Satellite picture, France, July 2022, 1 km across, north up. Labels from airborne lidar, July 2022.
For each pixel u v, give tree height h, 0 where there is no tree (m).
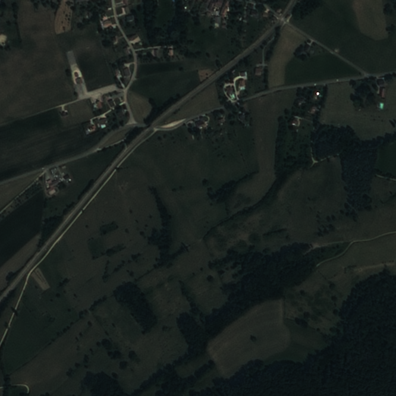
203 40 0
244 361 0
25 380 0
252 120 8
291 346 0
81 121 0
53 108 0
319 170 0
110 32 10
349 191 14
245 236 0
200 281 0
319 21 0
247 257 17
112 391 25
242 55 0
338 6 0
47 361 0
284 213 0
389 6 15
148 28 21
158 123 0
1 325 0
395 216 0
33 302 0
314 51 0
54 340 9
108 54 0
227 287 17
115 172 0
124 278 0
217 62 10
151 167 0
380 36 0
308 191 0
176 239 0
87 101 0
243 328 0
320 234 11
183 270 0
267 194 7
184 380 10
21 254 0
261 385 28
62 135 0
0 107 0
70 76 7
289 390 31
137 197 0
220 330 16
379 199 0
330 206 0
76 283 0
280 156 12
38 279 0
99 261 0
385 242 0
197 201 0
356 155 23
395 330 25
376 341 30
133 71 0
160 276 0
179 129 0
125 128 0
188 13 13
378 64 0
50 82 0
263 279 24
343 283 0
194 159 0
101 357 0
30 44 0
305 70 0
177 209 0
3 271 0
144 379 0
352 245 0
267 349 0
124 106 9
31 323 0
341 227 0
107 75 0
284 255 23
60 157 0
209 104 0
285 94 0
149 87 0
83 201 0
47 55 0
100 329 0
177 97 11
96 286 0
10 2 0
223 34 0
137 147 0
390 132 0
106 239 0
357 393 22
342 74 0
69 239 0
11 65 0
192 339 23
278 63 0
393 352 29
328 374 33
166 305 0
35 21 0
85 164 0
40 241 8
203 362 0
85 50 0
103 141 0
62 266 0
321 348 0
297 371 26
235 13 15
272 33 0
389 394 20
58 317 0
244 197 0
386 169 0
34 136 0
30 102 0
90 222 0
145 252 0
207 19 0
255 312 0
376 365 29
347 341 34
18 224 0
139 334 0
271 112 0
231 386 31
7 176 0
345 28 0
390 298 30
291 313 0
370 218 0
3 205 0
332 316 0
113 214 0
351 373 43
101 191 0
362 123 0
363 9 0
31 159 0
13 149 0
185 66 0
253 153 0
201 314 21
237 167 0
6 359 0
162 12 0
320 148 25
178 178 0
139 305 27
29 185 0
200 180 0
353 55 0
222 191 11
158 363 0
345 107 0
